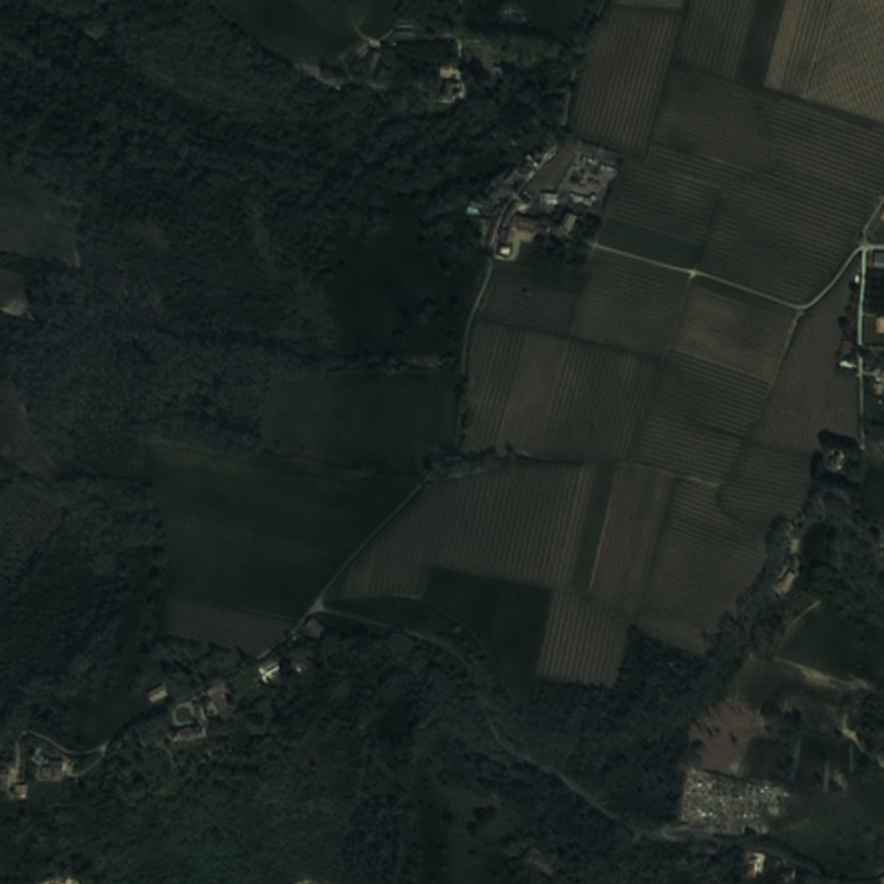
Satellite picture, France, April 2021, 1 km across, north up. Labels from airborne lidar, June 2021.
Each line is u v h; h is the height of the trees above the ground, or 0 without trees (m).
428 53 9
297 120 16
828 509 20
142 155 18
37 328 6
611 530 0
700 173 0
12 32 27
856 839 0
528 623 0
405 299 0
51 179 18
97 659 13
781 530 19
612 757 10
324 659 13
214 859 9
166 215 9
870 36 0
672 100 0
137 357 13
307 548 0
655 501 0
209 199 14
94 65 22
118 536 17
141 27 23
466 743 13
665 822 11
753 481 0
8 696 7
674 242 0
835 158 0
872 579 25
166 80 16
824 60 0
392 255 0
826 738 0
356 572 0
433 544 0
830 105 0
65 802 6
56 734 15
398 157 24
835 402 0
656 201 0
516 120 13
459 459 18
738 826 0
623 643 0
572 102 0
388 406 0
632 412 0
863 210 0
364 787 9
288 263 5
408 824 26
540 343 0
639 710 20
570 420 0
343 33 0
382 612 0
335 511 0
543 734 21
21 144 12
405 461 0
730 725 0
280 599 0
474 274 0
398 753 21
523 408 0
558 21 0
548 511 0
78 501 19
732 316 0
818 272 0
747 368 0
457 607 0
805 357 0
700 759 21
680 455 0
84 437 8
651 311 0
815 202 0
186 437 18
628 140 0
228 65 24
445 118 18
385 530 0
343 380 0
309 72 0
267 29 0
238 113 6
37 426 17
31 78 13
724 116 0
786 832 0
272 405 0
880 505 0
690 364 0
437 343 0
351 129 18
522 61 13
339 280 0
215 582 0
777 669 0
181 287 6
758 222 0
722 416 0
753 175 0
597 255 0
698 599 0
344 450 0
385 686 25
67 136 13
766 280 0
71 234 0
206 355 20
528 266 0
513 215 0
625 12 0
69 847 6
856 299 9
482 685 12
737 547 0
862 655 0
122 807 14
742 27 0
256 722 24
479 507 0
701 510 0
